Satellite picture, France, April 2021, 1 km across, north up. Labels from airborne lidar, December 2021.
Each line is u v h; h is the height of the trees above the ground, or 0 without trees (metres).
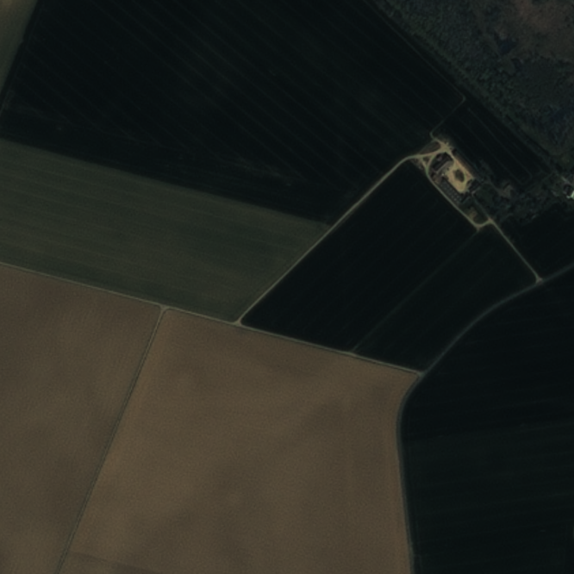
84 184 0
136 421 0
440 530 0
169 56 0
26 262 0
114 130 0
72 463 0
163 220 0
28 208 0
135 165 0
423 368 0
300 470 0
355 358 0
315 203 0
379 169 0
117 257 0
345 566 0
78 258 0
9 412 0
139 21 0
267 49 0
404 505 0
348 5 0
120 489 0
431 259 0
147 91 0
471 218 0
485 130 0
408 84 0
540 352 0
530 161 0
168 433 0
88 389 0
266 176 0
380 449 0
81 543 0
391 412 0
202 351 0
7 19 0
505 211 21
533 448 0
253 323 0
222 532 0
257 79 0
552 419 0
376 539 0
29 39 0
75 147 0
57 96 0
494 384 0
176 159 0
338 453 0
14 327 0
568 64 7
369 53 0
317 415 0
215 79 0
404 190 0
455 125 0
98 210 0
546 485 0
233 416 0
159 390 0
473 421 0
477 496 0
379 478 0
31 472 0
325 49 0
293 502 0
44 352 0
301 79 0
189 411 0
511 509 0
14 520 0
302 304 0
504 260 0
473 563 0
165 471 0
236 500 0
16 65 0
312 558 0
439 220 0
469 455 0
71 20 0
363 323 0
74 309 0
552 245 0
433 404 0
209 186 0
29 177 0
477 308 0
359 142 0
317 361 0
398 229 0
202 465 0
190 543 0
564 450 0
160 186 0
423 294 0
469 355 0
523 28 0
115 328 0
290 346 0
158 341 0
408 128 0
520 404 0
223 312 0
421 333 0
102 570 0
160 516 0
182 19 0
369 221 0
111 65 0
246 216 0
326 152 0
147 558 0
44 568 0
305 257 0
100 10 0
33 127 0
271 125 0
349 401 0
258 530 0
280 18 0
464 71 21
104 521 0
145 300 0
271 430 0
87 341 0
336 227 0
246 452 0
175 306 0
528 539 0
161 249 0
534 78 9
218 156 0
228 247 0
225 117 0
